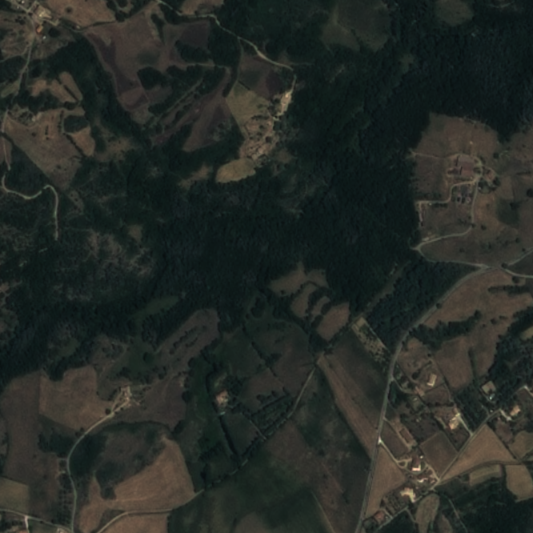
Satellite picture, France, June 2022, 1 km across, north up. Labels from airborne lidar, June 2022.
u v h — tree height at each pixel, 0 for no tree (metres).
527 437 0
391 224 12
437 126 0
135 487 0
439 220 0
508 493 7
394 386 10
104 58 0
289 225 12
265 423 6
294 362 0
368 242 13
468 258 0
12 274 9
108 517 0
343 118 10
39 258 12
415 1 11
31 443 0
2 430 0
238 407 10
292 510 0
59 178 0
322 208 26
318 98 10
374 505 0
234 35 8
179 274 24
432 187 0
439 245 0
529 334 0
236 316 10
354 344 0
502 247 0
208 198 16
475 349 0
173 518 9
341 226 19
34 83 0
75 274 10
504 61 19
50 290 9
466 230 0
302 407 0
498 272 0
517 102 21
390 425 0
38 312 6
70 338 7
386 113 12
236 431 0
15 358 14
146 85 12
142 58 0
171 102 7
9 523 8
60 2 0
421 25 8
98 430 0
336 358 0
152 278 7
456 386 0
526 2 9
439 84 13
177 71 9
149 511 0
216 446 6
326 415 0
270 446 0
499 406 11
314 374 0
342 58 11
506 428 0
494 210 0
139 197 6
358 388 0
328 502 0
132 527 0
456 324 6
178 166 11
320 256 15
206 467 9
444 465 0
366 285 9
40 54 0
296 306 0
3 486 0
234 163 0
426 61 15
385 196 15
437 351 0
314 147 14
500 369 9
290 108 8
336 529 0
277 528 0
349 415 0
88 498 0
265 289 14
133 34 0
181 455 0
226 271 8
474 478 0
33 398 0
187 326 0
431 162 0
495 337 0
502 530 10
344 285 8
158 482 0
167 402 0
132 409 0
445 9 0
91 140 0
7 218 7
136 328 26
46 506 0
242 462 11
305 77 8
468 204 0
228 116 0
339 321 0
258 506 0
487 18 18
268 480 0
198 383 0
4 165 7
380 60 16
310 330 20
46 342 8
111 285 6
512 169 0
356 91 12
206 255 12
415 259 9
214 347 9
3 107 7
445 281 10
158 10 0
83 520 0
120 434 0
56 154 0
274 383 0
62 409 0
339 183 19
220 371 16
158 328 9
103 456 0
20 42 0
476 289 0
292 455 0
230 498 0
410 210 13
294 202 7
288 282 0
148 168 7
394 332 14
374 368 0
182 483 0
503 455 0
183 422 9
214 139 0
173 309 9
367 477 0
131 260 0
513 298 0
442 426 9
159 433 0
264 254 10
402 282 21
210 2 0
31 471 0
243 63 0
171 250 21
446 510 5
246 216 9
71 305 15
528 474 0
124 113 10
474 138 0
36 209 6
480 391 6
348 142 6
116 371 0
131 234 0
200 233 8
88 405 0
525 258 0
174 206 18
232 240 9
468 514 8
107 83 9
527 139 0
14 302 14
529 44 18
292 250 10
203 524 0
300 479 0
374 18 0
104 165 10
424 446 0
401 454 0
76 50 11
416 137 11
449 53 16
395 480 0
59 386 0
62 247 12
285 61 0
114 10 9
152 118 5
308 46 9
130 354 0
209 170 0
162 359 0
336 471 0
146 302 35
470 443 0
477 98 10
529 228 0
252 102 0
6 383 9
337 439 0
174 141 10
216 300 7
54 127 0
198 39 0
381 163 12
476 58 21
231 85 10
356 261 10
